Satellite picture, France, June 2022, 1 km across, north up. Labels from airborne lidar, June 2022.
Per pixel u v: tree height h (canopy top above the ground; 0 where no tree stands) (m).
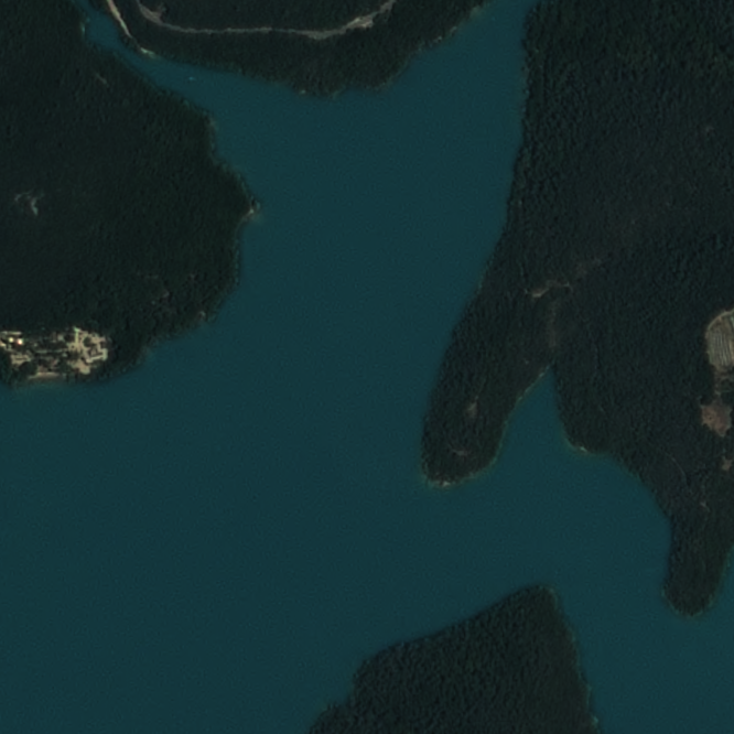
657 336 7
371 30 9
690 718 0
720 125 8
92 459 0
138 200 16
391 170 0
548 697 7
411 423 0
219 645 0
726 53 23
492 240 0
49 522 0
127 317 14
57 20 14
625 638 0
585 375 6
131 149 13
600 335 6
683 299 8
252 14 10
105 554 0
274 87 0
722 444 9
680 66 11
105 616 0
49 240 12
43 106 14
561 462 0
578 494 0
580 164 11
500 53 0
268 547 0
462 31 0
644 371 7
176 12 8
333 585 0
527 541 0
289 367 0
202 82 0
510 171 0
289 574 0
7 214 8
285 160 0
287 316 0
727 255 13
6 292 11
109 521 0
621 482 0
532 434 0
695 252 14
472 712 22
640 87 8
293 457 0
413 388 0
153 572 0
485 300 5
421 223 0
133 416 0
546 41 14
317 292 0
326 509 0
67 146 11
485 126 0
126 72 13
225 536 0
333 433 0
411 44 8
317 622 0
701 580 10
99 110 10
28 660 0
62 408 0
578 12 18
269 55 10
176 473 0
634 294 9
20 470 0
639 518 0
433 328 0
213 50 11
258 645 0
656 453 11
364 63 8
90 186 12
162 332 13
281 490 0
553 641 9
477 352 7
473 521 0
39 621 0
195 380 0
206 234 17
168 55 10
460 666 19
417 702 12
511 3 0
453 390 6
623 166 6
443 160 0
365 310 0
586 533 0
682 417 8
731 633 0
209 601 0
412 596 0
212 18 8
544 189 17
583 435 10
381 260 0
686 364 9
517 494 0
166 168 18
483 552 0
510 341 7
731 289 8
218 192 18
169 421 0
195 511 0
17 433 0
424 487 0
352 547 0
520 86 0
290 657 0
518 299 8
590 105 10
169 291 7
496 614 10
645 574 0
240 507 0
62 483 0
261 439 0
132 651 0
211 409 0
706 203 8
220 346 0
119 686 0
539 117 10
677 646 0
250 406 0
